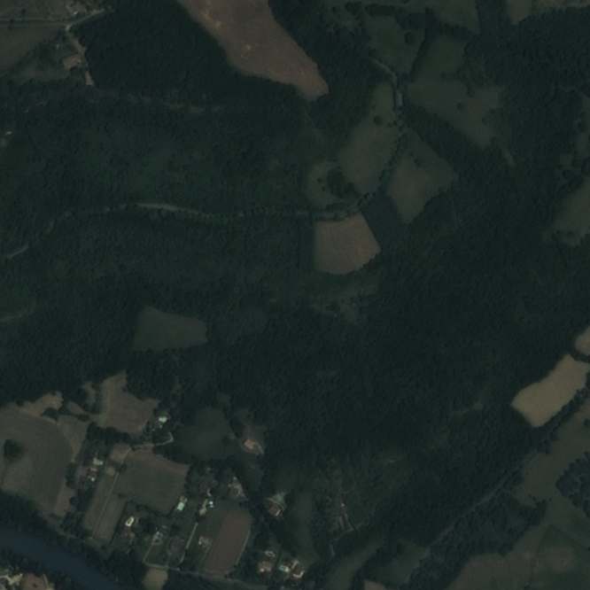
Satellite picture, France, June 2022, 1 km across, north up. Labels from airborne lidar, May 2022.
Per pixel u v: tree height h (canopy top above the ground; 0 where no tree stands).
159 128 11
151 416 0
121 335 15
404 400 13
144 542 12
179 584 23
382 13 18
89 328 13
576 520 0
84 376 17
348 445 17
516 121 10
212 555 0
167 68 10
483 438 12
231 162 14
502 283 14
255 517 16
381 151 0
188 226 8
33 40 0
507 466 11
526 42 22
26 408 0
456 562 9
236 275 7
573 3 0
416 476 12
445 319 17
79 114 21
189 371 8
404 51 0
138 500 0
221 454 0
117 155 11
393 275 14
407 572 0
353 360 7
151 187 10
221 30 0
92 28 16
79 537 15
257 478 0
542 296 13
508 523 10
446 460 12
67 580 29
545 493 0
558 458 0
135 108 7
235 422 17
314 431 11
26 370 14
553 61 21
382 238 17
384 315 12
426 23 23
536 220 6
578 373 0
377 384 9
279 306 15
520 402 0
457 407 13
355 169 0
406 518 17
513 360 10
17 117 10
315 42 8
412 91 0
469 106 0
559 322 9
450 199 7
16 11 0
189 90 11
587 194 0
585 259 14
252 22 0
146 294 19
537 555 0
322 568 10
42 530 9
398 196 0
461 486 16
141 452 0
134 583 19
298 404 12
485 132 0
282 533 15
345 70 17
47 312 14
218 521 0
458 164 9
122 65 17
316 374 8
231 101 11
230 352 9
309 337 11
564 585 0
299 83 0
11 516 29
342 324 7
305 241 14
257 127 22
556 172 10
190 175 10
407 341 21
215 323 6
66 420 0
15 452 19
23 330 14
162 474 0
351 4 13
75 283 18
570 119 19
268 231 8
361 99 9
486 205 13
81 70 10
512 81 16
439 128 10
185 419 15
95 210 13
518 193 21
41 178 8
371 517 9
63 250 13
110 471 0
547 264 21
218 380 16
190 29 8
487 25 18
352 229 0
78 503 12
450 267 16
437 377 20
